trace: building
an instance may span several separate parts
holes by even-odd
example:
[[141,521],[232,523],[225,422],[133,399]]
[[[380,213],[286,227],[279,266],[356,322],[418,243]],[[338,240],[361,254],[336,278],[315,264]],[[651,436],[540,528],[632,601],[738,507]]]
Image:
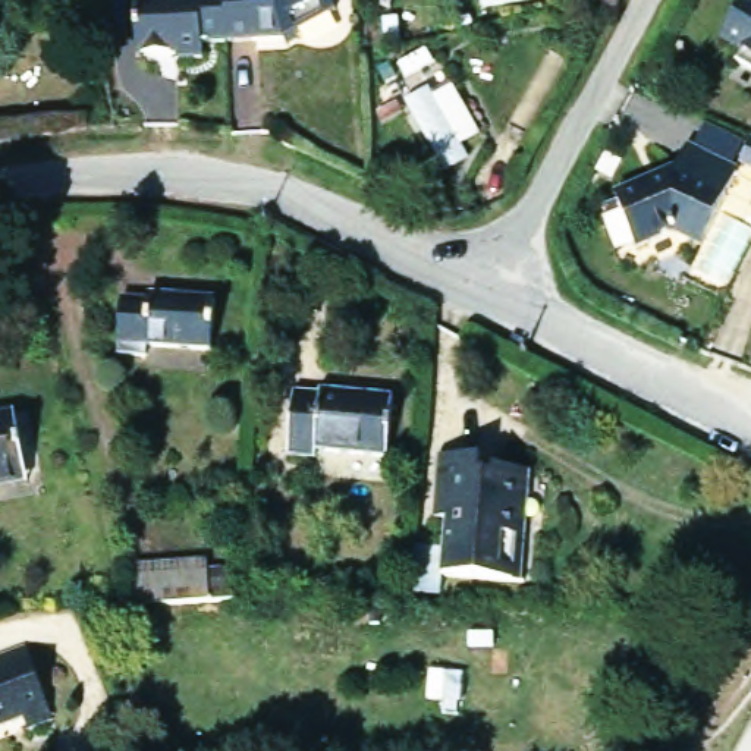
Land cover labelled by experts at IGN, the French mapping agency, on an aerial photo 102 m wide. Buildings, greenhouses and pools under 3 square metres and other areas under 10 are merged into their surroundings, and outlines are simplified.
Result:
[[751,0],[733,0],[733,6],[725,15],[722,38],[733,41],[736,50],[751,47]]
[[135,361],[141,361],[147,349],[202,352],[208,352],[208,346],[211,323],[223,326],[229,282],[202,276],[155,279],[153,285],[132,285],[117,299],[123,314],[117,314],[114,346],[117,352],[132,355]]
[[402,411],[408,402],[408,390],[399,378],[355,376],[323,376],[299,376],[279,396],[282,411],[293,411],[290,458],[299,458],[317,458],[326,446],[370,449],[381,458],[387,455],[387,446],[387,437],[393,440],[408,428]]
[[455,716],[461,701],[461,672],[428,669],[425,678],[425,684],[425,695],[440,704],[440,713]]
[[381,79],[393,85],[393,94],[405,97],[414,132],[425,135],[428,141],[443,141],[449,164],[464,158],[464,141],[475,135],[475,123],[455,88],[443,65],[425,47],[402,56],[399,62],[384,59],[378,67]]
[[478,0],[478,6],[487,9],[493,6],[513,0]]
[[478,449],[452,449],[449,443],[440,452],[437,505],[431,519],[443,519],[440,534],[443,566],[478,563],[510,575],[522,575],[528,572],[528,566],[528,499],[537,484],[534,466],[499,458],[481,464]]
[[56,648],[47,642],[23,642],[0,651],[0,751],[41,751],[41,745],[59,730],[53,725],[53,669],[62,660]]
[[153,598],[167,607],[199,604],[202,610],[214,610],[220,604],[229,601],[229,596],[223,596],[226,572],[220,578],[205,575],[202,557],[141,560],[138,569],[138,587],[153,593]]
[[684,243],[701,246],[704,229],[713,214],[713,202],[739,167],[739,153],[748,147],[728,129],[704,120],[698,120],[698,129],[689,135],[689,141],[678,150],[669,147],[660,161],[640,164],[634,147],[619,155],[619,170],[598,185],[598,194],[613,205],[625,205],[631,232],[640,241],[663,229],[666,217],[675,217],[678,229],[684,232]]
[[202,53],[199,47],[205,41],[220,44],[232,44],[235,35],[287,35],[299,23],[320,18],[337,0],[132,0],[132,41],[135,47],[170,47],[176,59]]
[[23,446],[18,434],[18,408],[9,396],[0,399],[0,478],[12,478],[21,469],[26,469]]

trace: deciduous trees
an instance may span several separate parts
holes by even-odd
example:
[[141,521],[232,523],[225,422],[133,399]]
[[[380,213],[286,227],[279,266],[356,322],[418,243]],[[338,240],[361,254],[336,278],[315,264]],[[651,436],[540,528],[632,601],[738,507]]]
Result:
[[114,725],[109,725],[97,713],[82,730],[76,730],[59,730],[41,745],[41,751],[132,751],[132,739],[138,739],[141,733],[153,739],[164,736],[158,713],[120,704]]
[[601,59],[613,29],[619,26],[628,0],[531,0],[537,9],[549,15],[549,26],[543,29],[543,35],[554,44],[552,50],[563,59],[572,50],[581,50],[584,62],[593,67]]
[[252,730],[232,736],[223,748],[197,751],[299,751],[287,736]]
[[440,223],[431,217],[431,199],[425,197],[425,176],[420,173],[420,167],[405,164],[399,158],[373,158],[370,153],[361,155],[358,167],[367,176],[364,197],[358,202],[370,208],[376,217],[381,217],[390,229],[440,229]]
[[0,176],[0,367],[21,370],[21,361],[35,364],[44,355],[53,358],[62,352],[62,343],[59,285],[65,285],[82,302],[85,311],[85,352],[109,358],[109,346],[114,346],[117,314],[123,314],[117,299],[132,285],[117,264],[111,264],[111,255],[114,249],[123,249],[129,258],[135,258],[155,238],[158,217],[135,223],[123,208],[117,208],[114,223],[97,226],[88,238],[70,270],[59,273],[53,270],[56,223],[62,208],[70,205],[73,194],[67,161],[56,153],[50,161],[21,164],[12,173]]
[[153,651],[150,645],[147,616],[132,616],[123,607],[109,607],[106,601],[91,598],[73,578],[59,593],[47,584],[41,587],[35,601],[56,601],[59,613],[76,616],[85,648],[106,689],[114,681],[126,678],[141,681],[141,675],[150,672],[161,651]]
[[188,522],[194,540],[223,557],[226,572],[223,596],[229,596],[229,601],[220,604],[229,616],[270,622],[290,622],[302,610],[311,610],[314,616],[323,616],[334,625],[352,622],[364,613],[370,613],[373,619],[381,613],[405,619],[411,631],[422,634],[443,616],[458,619],[466,631],[496,634],[502,628],[502,616],[510,607],[540,610],[543,604],[554,604],[557,610],[569,610],[575,598],[616,598],[625,610],[637,613],[640,640],[634,645],[616,645],[613,651],[607,651],[598,675],[590,681],[590,692],[584,695],[587,722],[598,736],[598,751],[701,751],[722,686],[736,675],[739,663],[751,654],[751,566],[745,563],[742,546],[704,540],[695,549],[689,566],[672,566],[660,557],[660,543],[642,540],[640,569],[622,566],[622,557],[598,554],[584,543],[593,534],[593,528],[584,525],[581,505],[572,493],[557,496],[557,522],[552,528],[543,522],[534,543],[537,560],[528,566],[528,572],[522,575],[522,584],[516,587],[493,581],[452,581],[437,593],[422,593],[420,578],[428,569],[431,543],[440,534],[443,519],[431,519],[422,522],[422,508],[414,505],[411,496],[417,484],[414,464],[387,446],[387,455],[381,458],[381,478],[390,484],[390,493],[396,496],[396,534],[387,537],[381,549],[373,554],[378,563],[376,596],[329,590],[320,581],[302,578],[290,569],[270,572],[258,566],[258,554],[279,549],[282,540],[282,528],[264,519],[264,487],[282,490],[293,505],[290,543],[317,563],[340,563],[340,546],[346,540],[361,540],[367,531],[367,525],[361,525],[352,513],[340,513],[340,502],[352,496],[355,481],[326,475],[317,458],[299,458],[293,469],[285,469],[270,449],[255,452],[255,464],[246,469],[238,466],[235,458],[223,458],[205,469],[185,472],[185,490],[153,493],[147,490],[147,472],[153,469],[155,458],[150,458],[147,437],[135,434],[126,422],[129,414],[147,408],[147,396],[129,387],[126,381],[120,378],[106,399],[109,414],[117,422],[111,446],[114,469],[129,475],[132,481],[138,516],[144,522]]
[[669,114],[698,120],[704,120],[704,111],[710,109],[713,97],[707,97],[704,76],[695,67],[675,67],[672,53],[657,67],[657,103]]
[[117,56],[111,53],[111,38],[103,29],[79,23],[79,15],[73,12],[76,0],[0,0],[0,76],[9,73],[18,70],[29,35],[47,32],[50,38],[41,47],[41,65],[73,82],[82,85],[91,76],[100,76],[106,82],[106,76],[114,70]]

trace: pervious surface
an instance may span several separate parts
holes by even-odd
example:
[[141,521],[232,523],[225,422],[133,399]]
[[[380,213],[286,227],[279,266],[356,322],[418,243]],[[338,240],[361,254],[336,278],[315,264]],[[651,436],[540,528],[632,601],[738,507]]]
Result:
[[123,249],[114,249],[111,255],[111,264],[117,264],[132,285],[153,285],[155,279],[135,258],[129,258]]
[[26,440],[23,446],[26,469],[21,469],[12,478],[0,478],[0,502],[35,496],[41,490],[38,437]]
[[323,376],[317,343],[329,314],[317,308],[311,317],[311,329],[302,337],[299,376]]
[[76,672],[85,692],[76,710],[76,730],[82,730],[97,713],[106,701],[106,689],[85,648],[76,616],[59,613],[0,619],[0,651],[23,642],[47,642],[56,648],[62,660]]
[[355,481],[381,478],[381,458],[370,449],[326,446],[317,458],[326,475]]
[[522,422],[522,411],[493,408],[487,399],[464,396],[458,387],[458,337],[455,331],[440,329],[437,367],[437,411],[428,446],[428,490],[422,508],[422,522],[431,519],[437,505],[440,452],[449,443],[464,434],[466,411],[478,414],[478,422],[496,422],[502,431],[510,431],[516,437],[525,434],[528,425]]
[[85,311],[82,302],[65,285],[59,285],[62,343],[70,349],[70,367],[85,387],[91,425],[100,431],[97,443],[111,446],[117,422],[109,414],[106,399],[120,378],[126,381],[141,367],[147,367],[155,376],[161,370],[202,370],[202,352],[147,349],[141,361],[135,361],[132,355],[117,352],[114,346],[109,346],[109,358],[85,352]]
[[739,663],[736,675],[722,686],[701,751],[751,751],[751,654]]
[[270,437],[270,449],[285,469],[293,469],[299,458],[290,458],[293,411],[282,411],[279,425]]
[[15,85],[9,73],[0,76],[0,106],[29,100],[29,85]]
[[537,114],[543,97],[549,94],[552,82],[563,67],[563,59],[552,50],[540,62],[534,79],[528,82],[519,106],[513,109],[505,132],[496,141],[496,153],[478,173],[478,185],[484,197],[499,194],[499,176],[505,173],[505,161],[519,147],[525,123]]
[[56,223],[53,270],[59,273],[70,270],[88,238],[76,229],[62,229]]

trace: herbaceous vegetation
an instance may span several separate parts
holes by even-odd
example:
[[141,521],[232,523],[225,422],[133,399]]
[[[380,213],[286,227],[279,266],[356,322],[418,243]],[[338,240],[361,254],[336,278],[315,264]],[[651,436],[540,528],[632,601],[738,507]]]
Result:
[[73,82],[41,65],[41,47],[50,38],[47,32],[29,35],[18,70],[9,73],[15,85],[29,85],[29,100],[0,106],[0,117],[50,111],[76,114],[82,103],[70,100]]
[[[191,238],[205,238],[217,232],[232,232],[252,249],[246,267],[232,258],[229,246],[185,246]],[[273,399],[267,390],[255,387],[252,378],[258,367],[287,361],[287,343],[276,340],[258,317],[258,287],[267,255],[302,252],[308,243],[308,238],[299,232],[273,223],[264,214],[246,214],[238,220],[202,211],[161,208],[158,217],[155,238],[135,258],[155,279],[202,276],[229,282],[223,326],[226,331],[243,331],[249,346],[246,361],[241,364],[229,349],[208,346],[208,352],[202,352],[202,370],[161,370],[155,376],[147,367],[141,367],[126,381],[129,387],[147,396],[147,408],[129,414],[126,422],[135,434],[147,437],[150,458],[155,458],[153,469],[147,472],[147,490],[153,493],[185,490],[185,472],[205,469],[223,458],[235,458],[238,466],[246,469],[255,464],[255,452],[270,449],[270,437],[279,425],[282,411],[279,396]],[[229,402],[223,402],[214,393],[223,381],[238,381],[241,387],[243,414],[238,422],[229,411]]]
[[50,161],[56,153],[67,161],[70,155],[194,150],[238,164],[290,173],[358,202],[364,197],[367,176],[358,167],[311,147],[302,138],[279,141],[267,129],[238,129],[197,132],[191,123],[179,120],[144,123],[141,109],[117,94],[114,70],[106,76],[106,82],[109,123],[73,123],[65,126],[62,138],[56,141],[18,138],[12,144],[0,144],[0,176],[12,173],[21,164]]
[[188,88],[176,88],[179,117],[185,111],[226,114],[235,106],[232,44],[220,44],[217,67],[194,76]]
[[279,549],[258,554],[258,566],[270,572],[290,569],[302,578],[320,581],[329,590],[376,596],[378,563],[373,554],[381,549],[387,537],[396,534],[396,496],[390,493],[390,484],[381,478],[355,481],[352,496],[340,502],[340,513],[352,513],[361,525],[367,525],[367,531],[361,540],[346,540],[340,546],[340,563],[317,563],[290,543],[293,505],[282,490],[264,487],[264,519],[282,528],[282,540]]
[[531,390],[534,381],[528,370],[510,367],[505,370],[499,387],[487,399],[493,408],[522,411],[522,402]]
[[103,29],[111,38],[111,53],[117,56],[132,41],[132,0],[76,0],[73,12],[79,15],[79,23]]
[[502,26],[508,26],[505,38],[484,38],[478,29],[469,26],[481,21],[487,9],[478,6],[478,0],[402,0],[405,12],[381,15],[381,29],[390,32],[399,23],[408,23],[411,29],[446,29],[449,53],[458,59],[458,50],[464,50],[472,70],[466,82],[455,88],[475,123],[475,135],[464,141],[464,158],[472,161],[481,153],[481,141],[496,141],[505,132],[513,109],[519,106],[528,82],[534,79],[540,62],[552,50],[554,44],[543,35],[543,29],[549,26],[549,15],[537,9],[531,0],[513,0],[493,6],[499,12]]
[[361,47],[349,35],[331,47],[299,44],[285,50],[261,50],[258,59],[276,76],[276,91],[270,103],[273,111],[285,111],[296,123],[329,138],[331,144],[361,155],[370,153],[396,138],[411,138],[414,132],[405,97],[393,94],[393,85],[381,79],[378,67],[367,67]]
[[97,226],[114,223],[117,208],[70,205],[62,208],[56,223],[62,229],[76,229],[88,238]]
[[710,285],[692,273],[669,279],[663,267],[651,258],[637,264],[634,258],[625,258],[613,246],[604,226],[584,243],[578,243],[572,232],[563,235],[557,243],[566,246],[575,270],[598,293],[678,331],[663,352],[684,358],[695,367],[710,367],[704,343],[713,331],[725,326],[728,311],[733,305],[733,290],[728,285]]
[[452,449],[478,449],[481,464],[499,458],[534,466],[537,484],[528,499],[543,508],[543,522],[552,528],[557,522],[557,496],[572,493],[581,505],[584,525],[593,528],[593,534],[584,543],[598,554],[622,557],[622,566],[640,569],[642,540],[660,543],[660,557],[672,566],[689,566],[695,549],[704,540],[742,546],[745,563],[751,566],[751,469],[739,466],[722,449],[713,449],[704,458],[698,452],[684,452],[663,440],[660,446],[651,443],[648,449],[642,449],[637,464],[625,464],[616,452],[619,446],[610,440],[596,446],[593,452],[575,455],[572,449],[549,440],[540,428],[528,425],[525,434],[516,437],[510,431],[502,431],[496,422],[478,422],[478,414],[466,411],[464,434],[449,443]]
[[76,672],[62,660],[53,669],[53,725],[59,730],[76,730],[76,710],[85,692]]
[[725,76],[725,70],[736,65],[736,50],[733,41],[722,38],[725,15],[733,6],[733,0],[660,0],[634,59],[622,73],[622,85],[634,85],[642,100],[657,103],[657,67],[672,53],[675,67],[695,67],[704,76],[707,97],[713,97],[710,109],[704,111],[704,120],[728,129],[748,147],[751,147],[751,88],[742,88]]
[[[132,739],[132,751],[197,751],[223,748],[232,736],[252,730],[287,736],[299,751],[598,751],[598,736],[587,722],[584,695],[590,692],[590,681],[598,675],[607,651],[613,651],[616,645],[634,645],[640,640],[637,613],[625,610],[616,598],[575,598],[569,610],[557,610],[554,604],[543,604],[540,610],[510,607],[502,616],[502,628],[496,634],[466,631],[458,619],[443,616],[422,634],[411,631],[405,619],[381,613],[373,619],[370,613],[364,613],[352,622],[334,625],[323,616],[314,616],[311,610],[302,610],[290,622],[270,622],[229,616],[220,604],[214,610],[202,610],[199,604],[167,607],[153,598],[153,593],[138,587],[138,569],[141,560],[202,557],[205,575],[220,578],[226,572],[223,557],[194,540],[188,522],[144,522],[138,516],[132,481],[129,475],[114,469],[111,446],[97,443],[100,431],[91,425],[85,387],[70,367],[70,349],[62,343],[62,352],[53,358],[44,355],[35,364],[21,361],[21,370],[0,367],[0,399],[9,396],[18,408],[18,434],[23,446],[26,440],[38,437],[41,490],[35,496],[0,502],[0,619],[59,613],[56,601],[35,601],[21,601],[9,587],[18,587],[26,578],[26,566],[35,557],[47,557],[53,563],[47,584],[59,593],[73,578],[79,569],[106,569],[114,557],[129,554],[132,584],[126,593],[109,590],[106,601],[109,607],[123,607],[132,616],[147,616],[150,645],[153,651],[161,651],[150,672],[141,675],[141,681],[126,678],[114,681],[106,689],[106,701],[97,713],[109,725],[114,725],[120,704],[158,713],[164,736],[153,739],[141,733],[138,739]],[[355,681],[367,681],[370,669],[376,666],[390,672],[420,672],[425,678],[428,669],[461,672],[461,701],[455,716],[440,713],[440,704],[425,695],[425,684],[393,695],[358,695]]]
[[417,484],[411,496],[414,505],[422,508],[428,490],[428,446],[437,411],[437,367],[422,352],[408,352],[405,358],[396,355],[393,331],[399,326],[384,320],[387,302],[381,296],[334,305],[329,314],[334,314],[343,323],[358,323],[364,329],[364,349],[373,355],[373,361],[361,364],[355,376],[399,378],[408,390],[408,402],[402,411],[408,428],[393,440],[387,437],[387,446],[414,464]]

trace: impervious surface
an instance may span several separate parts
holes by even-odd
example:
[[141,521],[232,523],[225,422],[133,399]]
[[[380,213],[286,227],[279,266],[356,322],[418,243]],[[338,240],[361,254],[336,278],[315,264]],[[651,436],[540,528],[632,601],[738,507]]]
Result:
[[135,47],[132,41],[117,56],[114,70],[117,94],[141,109],[144,123],[179,120],[179,117],[176,88],[188,88],[194,76],[217,67],[220,44],[205,41],[199,47],[202,53],[176,59],[170,47]]
[[522,584],[522,575],[510,575],[478,563],[443,566],[440,534],[431,543],[428,569],[420,578],[422,593],[437,593],[452,581],[493,581],[516,587]]
[[736,65],[725,70],[725,76],[742,88],[751,88],[751,47],[736,50]]
[[663,352],[634,340],[619,329],[604,326],[601,320],[566,302],[554,285],[546,249],[546,229],[554,199],[572,164],[578,161],[584,144],[590,141],[593,129],[601,123],[613,123],[613,129],[625,135],[634,147],[640,164],[660,161],[669,147],[678,150],[689,141],[689,135],[698,129],[698,120],[669,114],[657,103],[642,100],[634,85],[622,85],[622,73],[634,59],[660,0],[628,0],[619,26],[613,29],[601,59],[593,67],[584,91],[560,120],[554,141],[546,158],[540,161],[522,199],[508,214],[475,229],[440,229],[390,229],[381,217],[376,217],[370,208],[358,202],[290,173],[238,164],[194,150],[70,155],[67,161],[73,194],[132,194],[144,176],[155,173],[164,185],[164,194],[173,199],[235,208],[279,202],[285,214],[305,223],[299,232],[308,238],[308,243],[329,258],[355,258],[361,267],[373,270],[390,285],[440,302],[440,329],[455,331],[458,337],[464,334],[464,320],[472,314],[481,314],[510,329],[510,343],[552,364],[552,373],[534,381],[531,390],[534,396],[566,390],[569,399],[584,405],[590,414],[619,417],[634,405],[713,449],[722,449],[739,466],[751,469],[751,147],[748,147],[739,153],[739,167],[713,202],[713,214],[704,229],[701,246],[684,243],[684,232],[678,229],[675,217],[666,217],[663,229],[640,241],[631,232],[625,205],[613,205],[601,214],[604,226],[613,246],[625,258],[634,258],[637,264],[651,258],[663,267],[669,279],[692,273],[710,285],[728,285],[733,290],[733,305],[728,311],[725,326],[713,331],[704,343],[710,367],[695,367],[684,358]]
[[261,50],[285,50],[299,44],[331,47],[349,35],[352,0],[337,0],[320,18],[299,23],[287,35],[235,35],[232,44],[235,106],[238,129],[267,129],[264,117],[273,111],[270,103],[276,91],[276,76],[258,59]]
[[537,560],[534,543],[543,522],[543,508],[528,499],[528,566]]

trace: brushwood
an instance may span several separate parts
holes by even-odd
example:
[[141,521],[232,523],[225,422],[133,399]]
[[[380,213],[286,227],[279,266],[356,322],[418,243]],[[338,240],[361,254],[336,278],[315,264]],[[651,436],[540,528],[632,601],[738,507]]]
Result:
[[472,70],[464,50],[458,50],[458,59],[449,53],[446,29],[411,29],[408,23],[399,23],[390,32],[381,29],[381,15],[405,12],[402,0],[352,0],[349,35],[361,47],[367,67],[378,67],[384,59],[399,62],[402,56],[425,47],[443,65],[455,88],[466,82]]
[[299,232],[305,223],[285,214],[279,202],[235,208],[173,199],[164,194],[164,185],[155,173],[144,176],[132,194],[73,194],[70,205],[117,208],[123,208],[135,223],[158,217],[161,208],[202,211],[238,220],[246,214],[264,214],[273,223]]
[[317,308],[329,314],[334,305],[381,296],[387,302],[384,320],[399,326],[393,331],[396,355],[405,358],[408,352],[422,352],[437,367],[440,329],[440,302],[390,285],[373,270],[361,267],[355,258],[329,258],[308,243],[302,252],[267,255],[258,287],[258,317],[276,340],[287,343],[287,361],[258,367],[252,378],[255,387],[267,390],[273,399],[279,396],[299,376],[302,337],[311,329],[311,317]]
[[246,361],[249,346],[243,331],[226,331],[223,326],[211,323],[208,346],[229,349],[241,364]]
[[9,587],[21,601],[35,601],[41,587],[47,584],[53,563],[47,557],[35,557],[26,566],[26,578],[18,587]]
[[223,402],[229,402],[229,411],[238,422],[243,414],[241,387],[238,381],[223,381],[214,393]]
[[472,314],[464,320],[464,334],[458,337],[458,387],[464,396],[487,399],[499,387],[505,370],[510,367],[528,370],[534,381],[552,373],[552,364],[510,343],[510,329],[481,314]]
[[355,681],[358,695],[393,695],[425,684],[425,678],[420,672],[390,672],[376,666],[370,669],[367,681]]
[[528,425],[540,428],[549,440],[572,449],[575,455],[593,452],[596,446],[610,440],[619,446],[616,452],[625,464],[637,464],[642,449],[648,449],[651,443],[660,446],[663,440],[684,452],[698,452],[704,458],[713,449],[634,405],[619,417],[590,414],[584,405],[569,399],[566,390],[534,396],[531,390],[522,402],[522,411],[522,422]]
[[296,123],[285,111],[273,111],[264,117],[267,129],[279,141],[302,138],[311,147],[358,167],[361,155],[331,144],[329,138]]
[[578,243],[584,243],[604,226],[601,214],[613,205],[598,194],[598,185],[619,170],[619,155],[634,147],[625,135],[613,129],[613,123],[601,123],[593,129],[590,141],[584,144],[578,161],[572,164],[554,199],[546,229],[546,249],[554,285],[566,302],[601,320],[604,326],[619,329],[634,340],[663,352],[678,331],[598,293],[575,270],[566,246],[557,243],[563,235],[572,232]]
[[185,246],[229,246],[232,258],[246,267],[252,249],[232,232],[217,232],[205,238],[191,238]]
[[226,114],[185,111],[179,117],[179,120],[191,123],[197,132],[238,129],[235,106]]
[[323,376],[355,376],[361,364],[373,361],[373,355],[364,349],[364,329],[358,323],[343,323],[334,314],[329,314],[317,343]]
[[469,26],[478,29],[484,38],[505,38],[508,26],[502,26],[499,12],[493,6],[487,9],[481,21]]
[[481,141],[481,153],[472,161],[464,158],[449,164],[443,141],[428,141],[425,135],[414,132],[411,138],[396,138],[370,153],[373,158],[399,158],[405,164],[420,167],[420,173],[425,176],[425,197],[431,199],[431,217],[440,223],[440,229],[475,229],[508,214],[522,199],[540,161],[546,158],[554,141],[560,120],[584,91],[593,67],[584,62],[581,50],[572,50],[563,59],[563,67],[552,82],[549,94],[543,97],[537,114],[525,123],[519,147],[505,161],[505,173],[499,176],[499,194],[484,197],[478,185],[478,173],[496,153],[496,141]]
[[73,578],[91,598],[106,601],[109,590],[126,593],[132,584],[129,554],[114,557],[106,569],[79,569]]
[[0,144],[12,144],[18,138],[56,141],[62,138],[65,126],[73,123],[109,123],[106,82],[100,76],[91,76],[82,85],[73,82],[70,100],[82,103],[76,114],[50,111],[0,117]]

